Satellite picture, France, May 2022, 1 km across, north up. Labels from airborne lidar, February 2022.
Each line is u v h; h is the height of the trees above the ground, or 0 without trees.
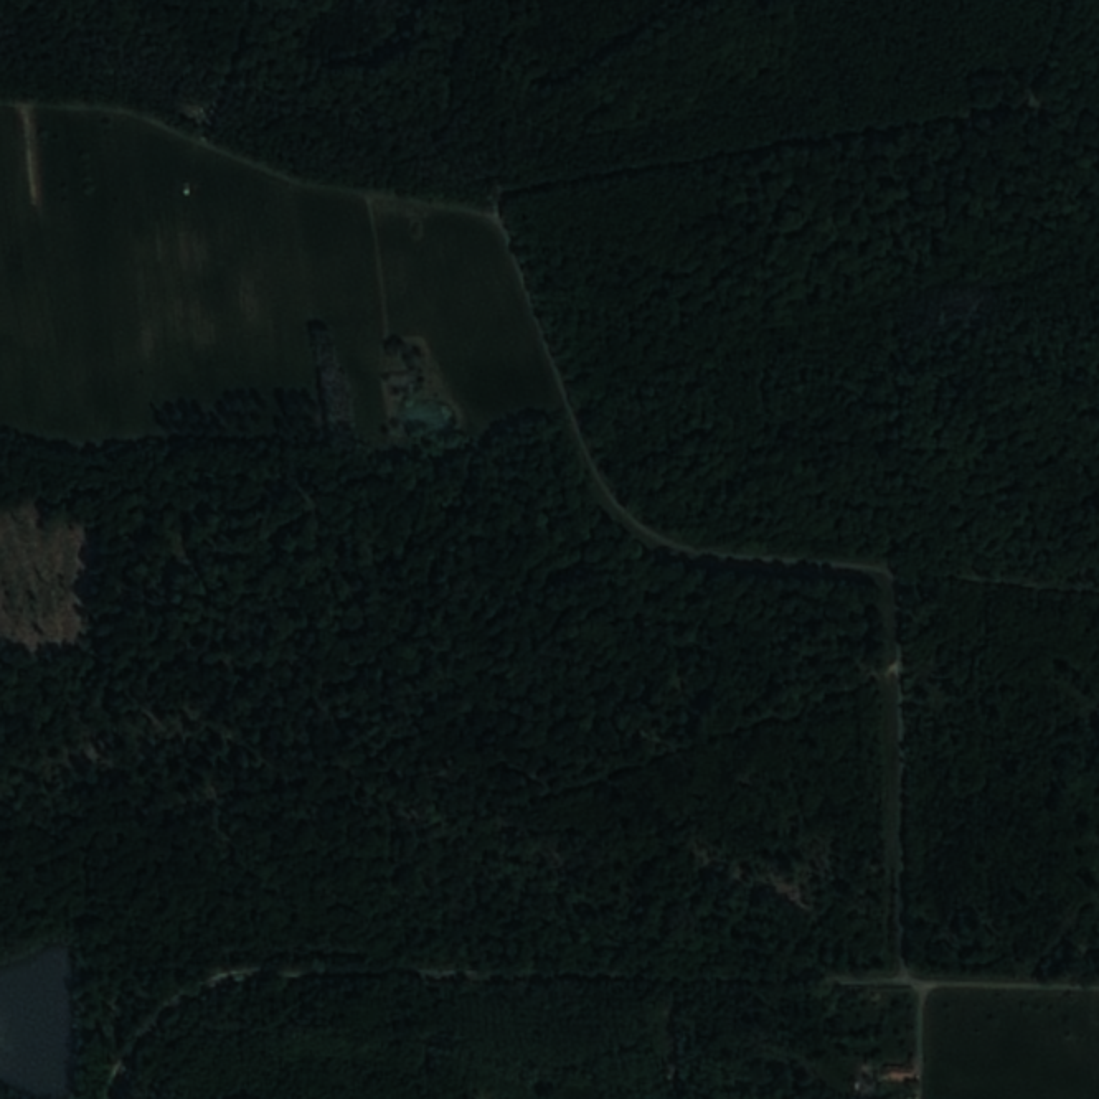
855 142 27
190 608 36
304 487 31
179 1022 14
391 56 22
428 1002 20
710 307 25
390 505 28
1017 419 31
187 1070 15
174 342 0
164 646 28
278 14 28
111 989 22
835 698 28
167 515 31
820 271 30
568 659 32
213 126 16
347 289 0
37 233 0
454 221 0
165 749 28
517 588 25
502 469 26
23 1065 0
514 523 29
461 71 27
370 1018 26
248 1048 11
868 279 28
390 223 0
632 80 28
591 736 29
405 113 26
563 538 27
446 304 0
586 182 19
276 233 0
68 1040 0
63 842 25
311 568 30
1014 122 23
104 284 0
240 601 34
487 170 20
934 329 23
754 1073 29
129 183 0
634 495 26
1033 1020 0
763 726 12
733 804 12
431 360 0
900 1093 0
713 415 25
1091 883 34
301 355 0
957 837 11
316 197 0
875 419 27
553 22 17
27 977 0
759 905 27
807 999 20
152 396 0
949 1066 0
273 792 27
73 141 0
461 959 19
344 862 24
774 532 28
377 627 31
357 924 20
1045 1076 0
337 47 15
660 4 19
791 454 26
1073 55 26
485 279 0
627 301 26
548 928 28
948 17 17
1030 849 7
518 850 26
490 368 0
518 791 28
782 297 29
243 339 0
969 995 0
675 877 22
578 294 24
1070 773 32
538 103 24
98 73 21
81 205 0
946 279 12
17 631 0
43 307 0
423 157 23
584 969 23
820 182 25
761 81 21
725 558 0
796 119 17
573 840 24
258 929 20
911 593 21
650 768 14
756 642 28
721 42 28
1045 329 24
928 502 31
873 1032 7
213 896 25
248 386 0
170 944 16
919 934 28
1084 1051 0
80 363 0
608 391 22
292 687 32
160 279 0
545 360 0
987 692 22
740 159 18
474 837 28
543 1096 19
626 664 30
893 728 0
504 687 29
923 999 0
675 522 26
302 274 0
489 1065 24
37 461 22
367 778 28
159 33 24
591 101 26
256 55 26
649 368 18
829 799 16
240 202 0
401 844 26
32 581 0
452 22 27
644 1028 26
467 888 28
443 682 32
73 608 0
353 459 22
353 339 0
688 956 28
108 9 27
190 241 0
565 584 29
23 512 0
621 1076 24
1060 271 23
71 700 25
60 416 0
